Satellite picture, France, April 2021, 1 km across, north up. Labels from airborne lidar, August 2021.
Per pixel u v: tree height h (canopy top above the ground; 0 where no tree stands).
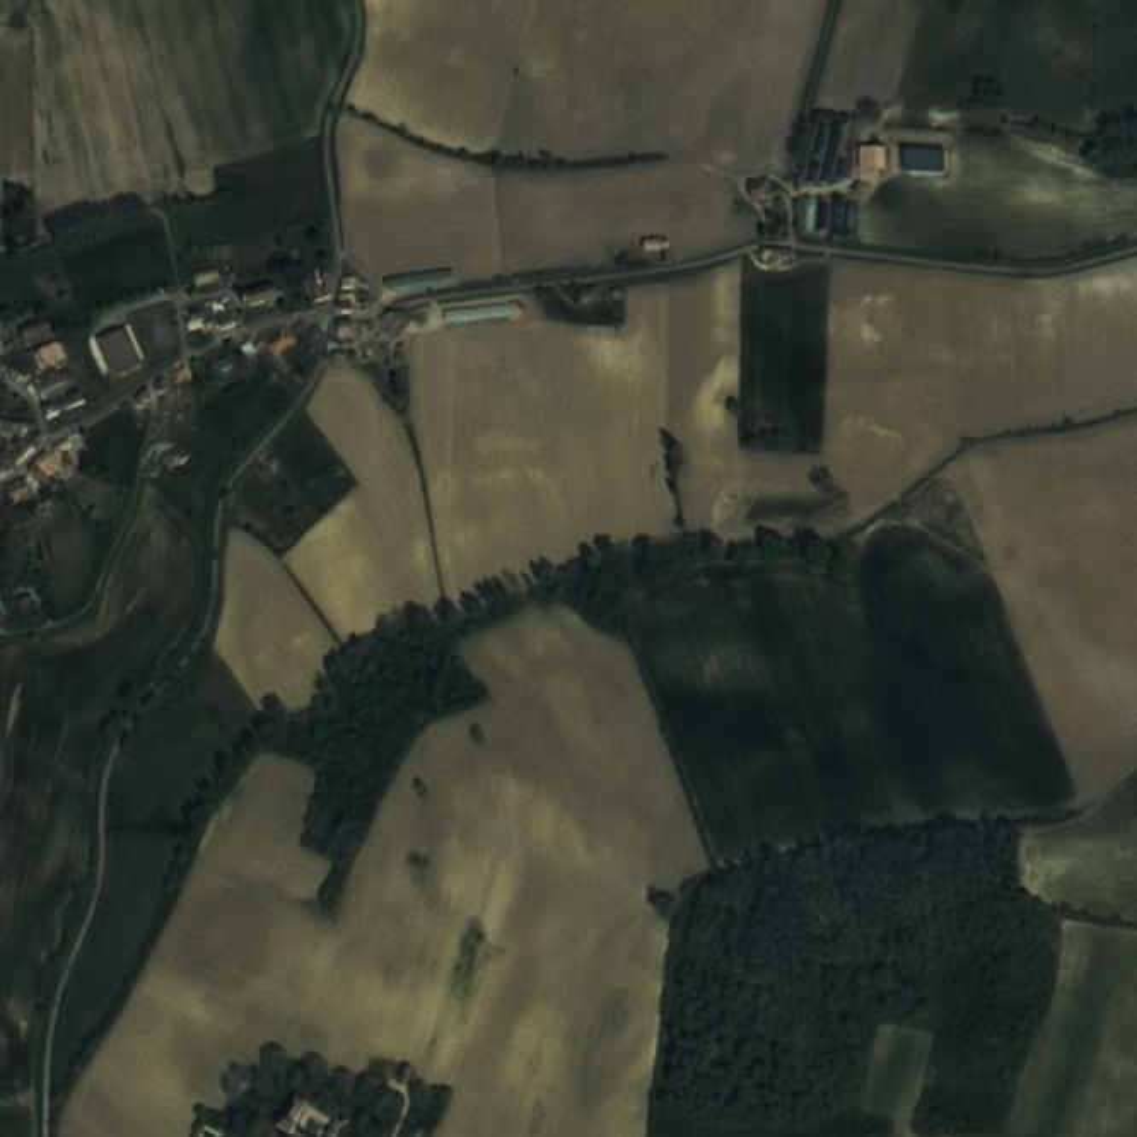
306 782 0
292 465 0
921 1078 0
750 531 0
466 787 0
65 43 0
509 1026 0
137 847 0
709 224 0
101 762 9
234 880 0
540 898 0
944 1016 7
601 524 0
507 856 0
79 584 0
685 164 0
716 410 0
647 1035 0
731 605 0
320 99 0
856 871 17
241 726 0
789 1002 6
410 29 0
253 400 0
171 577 0
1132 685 0
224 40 0
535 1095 0
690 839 0
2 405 9
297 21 0
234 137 0
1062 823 0
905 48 0
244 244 0
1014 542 0
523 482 0
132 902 0
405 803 0
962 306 0
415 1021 0
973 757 0
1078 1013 0
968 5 0
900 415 0
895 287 0
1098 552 0
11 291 0
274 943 0
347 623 0
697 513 0
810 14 0
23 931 0
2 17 0
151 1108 0
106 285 0
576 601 11
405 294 0
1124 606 0
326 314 0
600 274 0
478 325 0
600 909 0
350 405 0
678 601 0
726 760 0
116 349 0
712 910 7
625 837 0
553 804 0
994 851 15
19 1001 0
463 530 0
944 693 0
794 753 0
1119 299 0
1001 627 0
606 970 0
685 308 0
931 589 0
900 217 0
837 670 0
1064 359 0
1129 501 0
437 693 16
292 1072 16
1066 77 0
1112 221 0
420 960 0
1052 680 0
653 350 0
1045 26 0
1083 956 0
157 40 0
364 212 0
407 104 0
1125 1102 0
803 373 0
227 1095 12
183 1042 0
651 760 0
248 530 9
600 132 0
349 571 0
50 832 0
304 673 0
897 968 18
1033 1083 0
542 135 0
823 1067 6
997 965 16
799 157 19
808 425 0
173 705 11
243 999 0
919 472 0
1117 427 0
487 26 0
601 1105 0
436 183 0
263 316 0
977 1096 8
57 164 0
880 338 0
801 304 0
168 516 0
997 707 0
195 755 0
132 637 0
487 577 0
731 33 0
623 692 0
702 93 0
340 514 0
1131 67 0
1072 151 0
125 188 0
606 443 0
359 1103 8
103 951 0
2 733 0
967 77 0
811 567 15
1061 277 0
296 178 0
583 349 0
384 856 0
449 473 0
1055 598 0
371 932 0
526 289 0
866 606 0
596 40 0
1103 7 0
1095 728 0
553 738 0
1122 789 0
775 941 16
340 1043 0
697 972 10
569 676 0
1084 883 0
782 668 0
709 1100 17
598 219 0
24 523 0
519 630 0
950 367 0
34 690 0
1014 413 0
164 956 0
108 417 0
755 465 0
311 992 0
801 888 15
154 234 0
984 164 0
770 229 7
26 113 0
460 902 0
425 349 0
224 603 9
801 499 0
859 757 0
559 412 0
